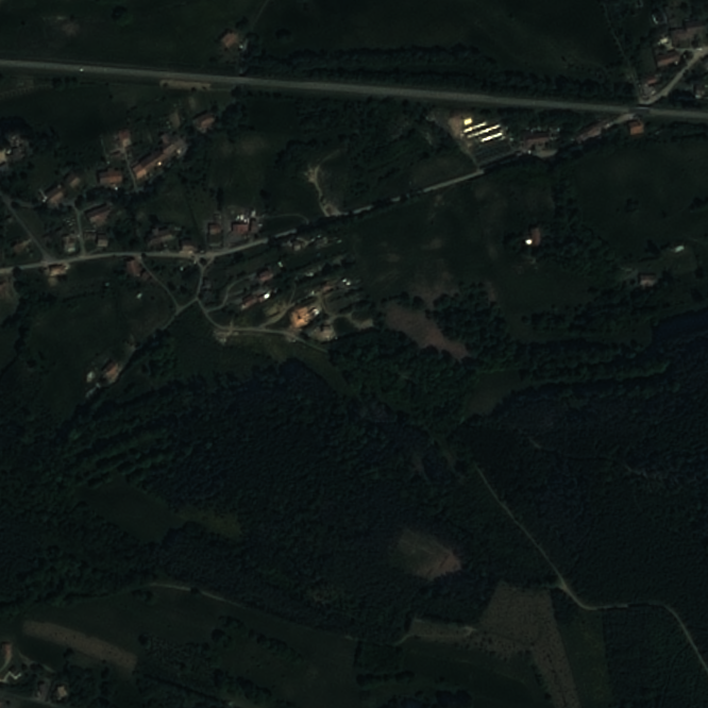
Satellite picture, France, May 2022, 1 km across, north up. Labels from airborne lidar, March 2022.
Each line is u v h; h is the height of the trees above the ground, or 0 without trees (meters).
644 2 0
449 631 0
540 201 0
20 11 0
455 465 0
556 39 0
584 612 0
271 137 0
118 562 15
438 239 0
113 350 0
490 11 0
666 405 25
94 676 11
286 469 14
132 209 17
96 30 0
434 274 0
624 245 0
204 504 7
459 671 0
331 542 8
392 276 0
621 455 14
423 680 0
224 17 0
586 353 26
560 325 17
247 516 7
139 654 0
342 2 0
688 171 0
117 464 11
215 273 0
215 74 0
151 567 18
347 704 0
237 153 0
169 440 20
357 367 17
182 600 0
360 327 0
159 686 19
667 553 10
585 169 0
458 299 8
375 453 25
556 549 11
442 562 0
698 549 9
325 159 0
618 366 23
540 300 0
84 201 12
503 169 17
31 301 20
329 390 30
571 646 0
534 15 0
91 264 0
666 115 0
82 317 0
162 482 14
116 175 0
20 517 7
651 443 12
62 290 0
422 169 0
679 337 39
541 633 0
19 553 11
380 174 0
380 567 6
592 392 24
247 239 0
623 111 0
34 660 0
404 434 32
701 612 8
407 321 0
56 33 0
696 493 7
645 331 0
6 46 0
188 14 0
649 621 8
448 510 14
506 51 0
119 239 20
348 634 12
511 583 12
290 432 16
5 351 0
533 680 0
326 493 14
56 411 0
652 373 7
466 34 0
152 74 0
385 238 0
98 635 0
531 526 10
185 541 20
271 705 17
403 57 20
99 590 22
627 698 7
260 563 20
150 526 0
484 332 21
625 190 0
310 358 0
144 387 0
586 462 12
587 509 25
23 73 0
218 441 17
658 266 0
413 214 0
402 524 24
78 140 0
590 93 21
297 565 17
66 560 19
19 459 15
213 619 0
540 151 0
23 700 0
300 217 0
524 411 23
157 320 0
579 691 0
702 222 0
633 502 7
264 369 0
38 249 0
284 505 11
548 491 21
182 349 0
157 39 0
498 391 0
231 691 22
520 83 19
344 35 0
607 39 0
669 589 11
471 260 0
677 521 8
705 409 20
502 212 0
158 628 0
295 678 0
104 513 0
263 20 0
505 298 0
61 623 0
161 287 0
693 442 11
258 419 19
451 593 22
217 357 0
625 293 7
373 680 14
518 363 17
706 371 35
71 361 0
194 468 16
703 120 0
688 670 7
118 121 0
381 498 22
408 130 0
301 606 20
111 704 14
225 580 15
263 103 0
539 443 8
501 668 0
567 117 21
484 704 0
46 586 21
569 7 0
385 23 0
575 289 0
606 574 10
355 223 5
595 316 21
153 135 0
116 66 0
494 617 0
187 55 0
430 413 17
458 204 0
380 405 21
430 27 0
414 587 11
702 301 21
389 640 13
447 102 0
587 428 11
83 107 0
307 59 19
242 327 0
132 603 0
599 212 0
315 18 0
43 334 0
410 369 17
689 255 0
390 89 0
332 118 10
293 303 0
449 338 13
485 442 14
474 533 9
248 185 0
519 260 0
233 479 14
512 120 16
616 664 6
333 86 0
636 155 0
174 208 0
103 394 9
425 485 26
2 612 21
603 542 11
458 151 11
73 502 9
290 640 0
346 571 8
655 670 6
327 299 0
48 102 0
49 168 0
